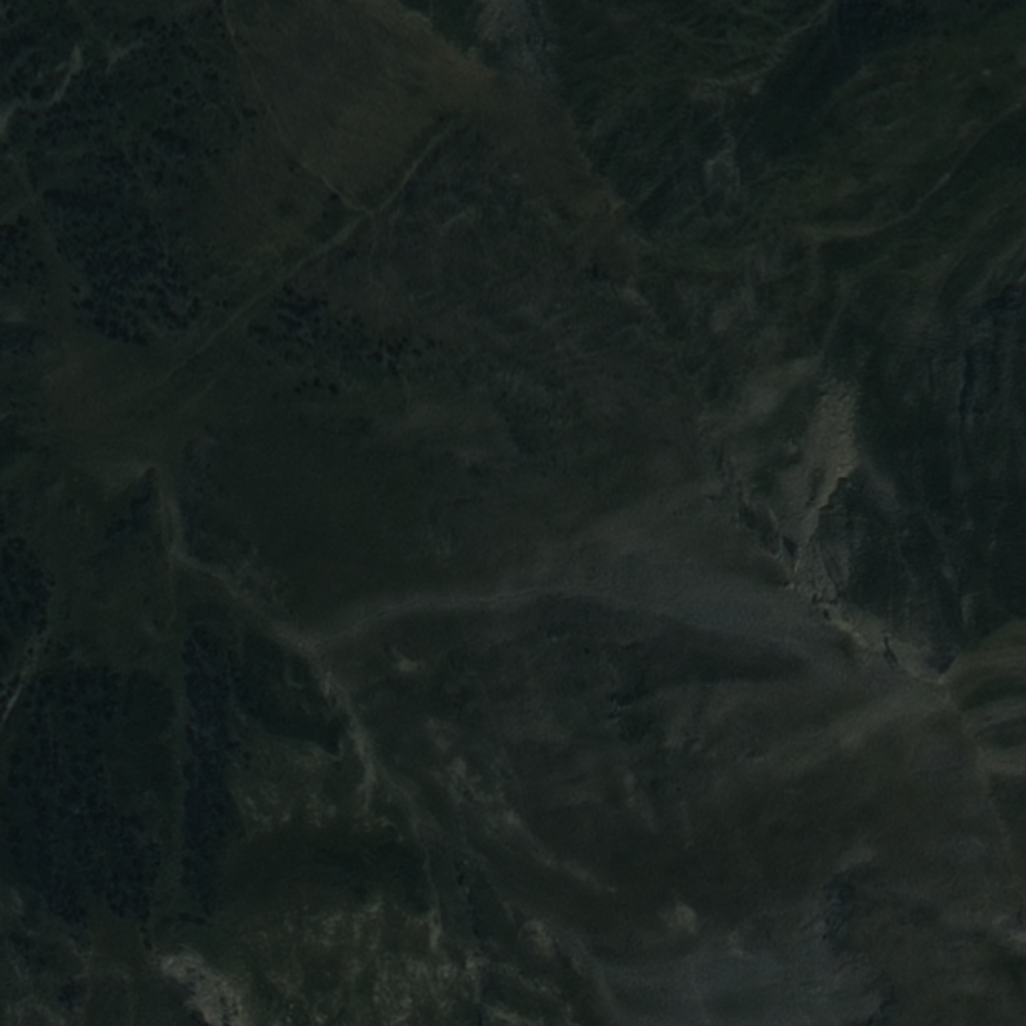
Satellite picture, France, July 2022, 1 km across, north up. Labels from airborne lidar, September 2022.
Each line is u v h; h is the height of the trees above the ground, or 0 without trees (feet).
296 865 0
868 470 0
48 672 0
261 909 0
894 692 0
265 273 0
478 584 0
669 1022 0
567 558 0
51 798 0
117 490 0
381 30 0
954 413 0
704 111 0
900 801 0
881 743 0
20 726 0
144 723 0
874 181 0
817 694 0
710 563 0
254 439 0
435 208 0
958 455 0
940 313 0
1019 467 0
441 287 0
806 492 0
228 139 0
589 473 0
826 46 0
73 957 0
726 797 0
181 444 0
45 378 0
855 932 0
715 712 0
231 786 0
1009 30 0
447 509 0
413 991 0
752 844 0
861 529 0
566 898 0
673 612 0
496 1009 0
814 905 0
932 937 0
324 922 0
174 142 24
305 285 0
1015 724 0
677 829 0
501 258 0
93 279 21
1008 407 0
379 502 0
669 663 0
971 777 0
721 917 0
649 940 0
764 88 0
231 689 24
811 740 0
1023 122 0
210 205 0
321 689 0
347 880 0
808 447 0
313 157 0
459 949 0
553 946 0
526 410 0
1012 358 0
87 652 0
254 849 0
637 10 0
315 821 0
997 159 0
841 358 0
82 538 0
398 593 0
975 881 0
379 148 0
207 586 0
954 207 0
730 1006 0
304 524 0
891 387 0
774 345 0
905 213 0
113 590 0
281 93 0
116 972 0
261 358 0
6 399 0
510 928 0
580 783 0
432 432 0
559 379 0
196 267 0
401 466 0
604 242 0
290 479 0
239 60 0
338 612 0
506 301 0
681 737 0
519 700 0
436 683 0
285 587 0
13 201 0
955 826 0
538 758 0
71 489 0
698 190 0
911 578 0
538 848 0
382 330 0
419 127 0
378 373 0
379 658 0
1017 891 0
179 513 0
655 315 0
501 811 0
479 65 0
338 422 0
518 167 0
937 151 0
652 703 0
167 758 0
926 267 0
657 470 0
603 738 0
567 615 0
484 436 0
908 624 0
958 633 0
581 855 0
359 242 0
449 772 0
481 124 0
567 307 0
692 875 0
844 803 0
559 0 0
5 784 0
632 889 0
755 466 0
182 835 0
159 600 0
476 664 0
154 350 0
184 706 0
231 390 0
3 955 0
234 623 0
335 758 0
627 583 0
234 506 0
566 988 0
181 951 0
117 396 0
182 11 0
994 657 0
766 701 0
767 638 0
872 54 0
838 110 0
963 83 0
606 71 0
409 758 0
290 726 0
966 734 0
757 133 0
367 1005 0
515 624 0
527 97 0
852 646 0
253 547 0
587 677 0
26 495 0
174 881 0
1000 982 0
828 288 0
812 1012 0
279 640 0
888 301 0
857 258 0
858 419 0
